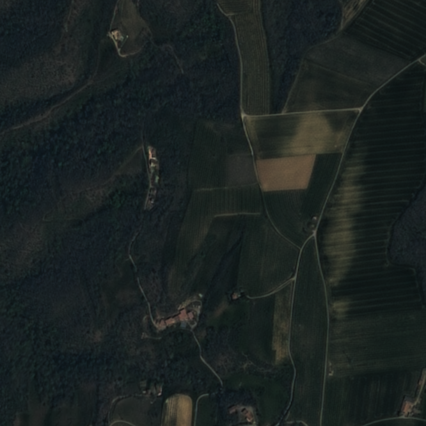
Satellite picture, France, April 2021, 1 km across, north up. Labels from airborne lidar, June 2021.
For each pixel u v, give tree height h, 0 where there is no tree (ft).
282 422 37
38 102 27
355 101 0
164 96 17
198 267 20
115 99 87
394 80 0
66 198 27
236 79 20
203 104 29
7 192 52
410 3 0
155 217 25
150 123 41
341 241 0
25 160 85
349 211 0
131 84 60
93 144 81
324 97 0
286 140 0
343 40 0
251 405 45
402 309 0
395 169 0
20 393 49
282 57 64
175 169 40
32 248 21
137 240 28
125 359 35
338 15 34
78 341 44
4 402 29
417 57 0
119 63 39
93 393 0
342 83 0
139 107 69
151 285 32
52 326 58
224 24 57
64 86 25
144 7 58
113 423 0
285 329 0
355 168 0
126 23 0
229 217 0
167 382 51
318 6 39
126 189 24
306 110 0
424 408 0
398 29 0
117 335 34
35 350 52
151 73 53
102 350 54
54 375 65
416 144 0
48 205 38
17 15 46
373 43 0
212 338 52
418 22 0
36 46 19
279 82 34
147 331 0
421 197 50
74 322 28
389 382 0
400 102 0
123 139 34
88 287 37
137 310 41
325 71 0
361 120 0
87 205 33
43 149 54
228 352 33
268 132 0
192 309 0
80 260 28
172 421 0
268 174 0
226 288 0
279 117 0
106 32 35
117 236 44
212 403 0
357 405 0
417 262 48
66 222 43
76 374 51
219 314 0
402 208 0
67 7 23
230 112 33
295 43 91
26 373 52
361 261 0
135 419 0
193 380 54
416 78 0
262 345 0
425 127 0
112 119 94
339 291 0
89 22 38
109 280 39
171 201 22
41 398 37
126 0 0
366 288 0
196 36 79
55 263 50
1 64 31
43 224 26
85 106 51
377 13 0
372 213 0
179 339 86
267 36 37
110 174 44
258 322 0
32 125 19
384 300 0
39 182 30
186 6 39
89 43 26
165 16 47
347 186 0
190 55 72
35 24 33
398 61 0
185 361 43
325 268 0
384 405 0
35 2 43
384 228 0
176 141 30
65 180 46
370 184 0
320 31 66
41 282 53
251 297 0
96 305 29
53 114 21
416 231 77
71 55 29
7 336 52
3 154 78
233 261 0
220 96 25
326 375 0
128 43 0
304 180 0
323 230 0
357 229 0
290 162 0
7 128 24
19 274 28
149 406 0
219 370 41
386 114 0
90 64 45
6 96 28
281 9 52
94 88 30
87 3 38
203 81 53
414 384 0
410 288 0
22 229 31
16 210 52
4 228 24
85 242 50
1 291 73
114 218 73
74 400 48
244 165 0
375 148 0
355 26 0
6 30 61
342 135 0
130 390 0
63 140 80
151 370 105
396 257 31
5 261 23
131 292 0
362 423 0
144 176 42
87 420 0
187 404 0
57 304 32
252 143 0
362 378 0
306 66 0
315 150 0
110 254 37
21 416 0
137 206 21
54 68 25
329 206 0
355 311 0
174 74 116
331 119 0
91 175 50
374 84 0
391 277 0
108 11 43
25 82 35
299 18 45
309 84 0
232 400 62
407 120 0
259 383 0
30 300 34
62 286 36
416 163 0
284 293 0
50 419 0
